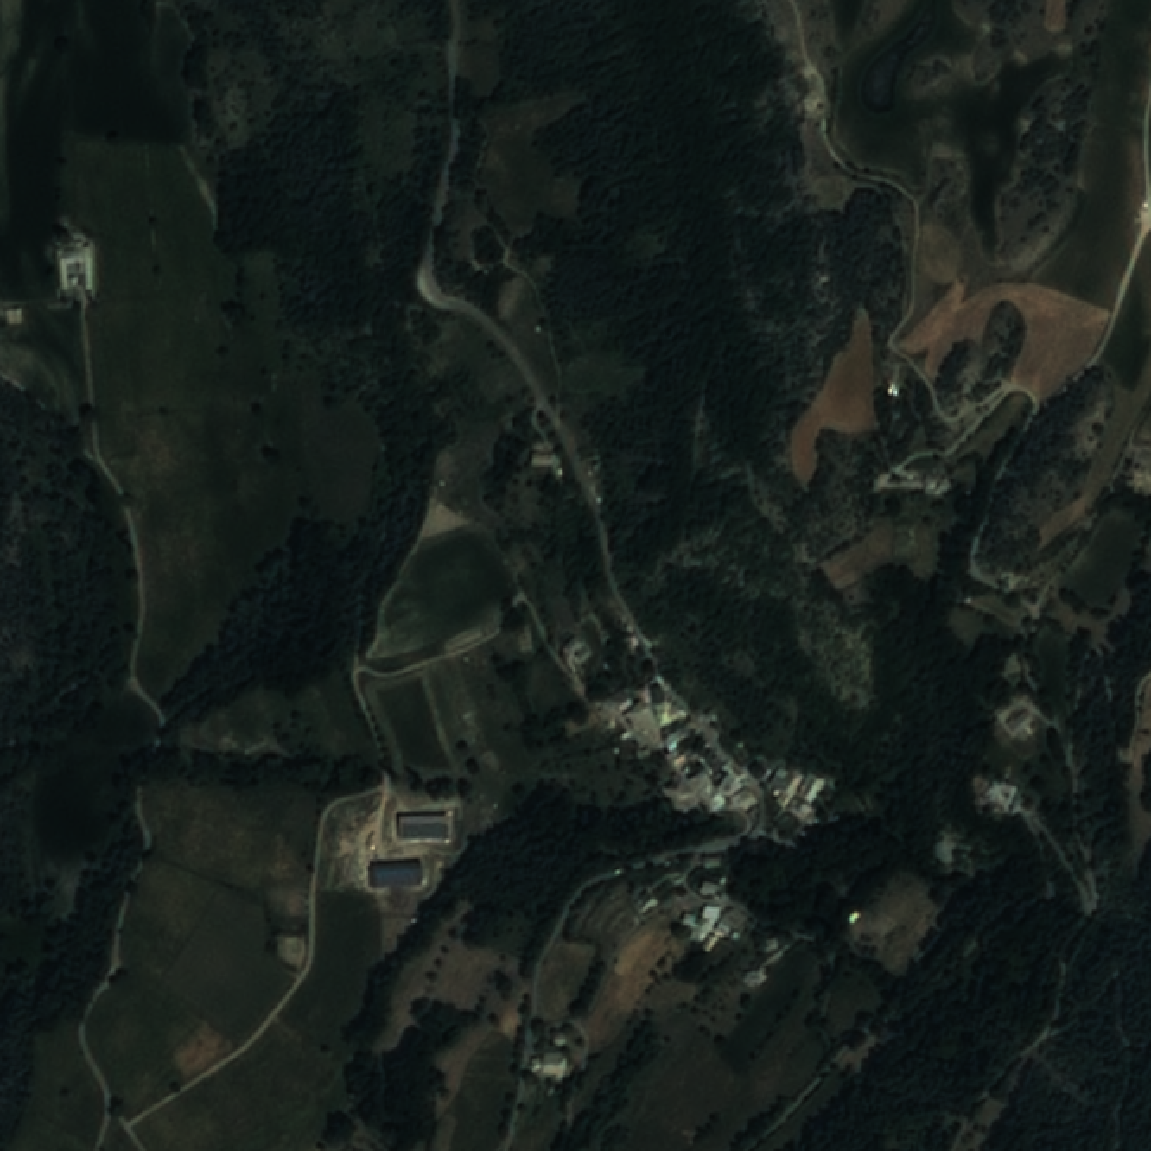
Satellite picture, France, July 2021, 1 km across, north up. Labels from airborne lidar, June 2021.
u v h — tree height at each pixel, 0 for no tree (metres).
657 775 6
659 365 10
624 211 12
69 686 11
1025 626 7
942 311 0
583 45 9
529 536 7
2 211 0
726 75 9
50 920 14
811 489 5
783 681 6
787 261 6
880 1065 18
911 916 0
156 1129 0
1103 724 10
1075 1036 13
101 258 0
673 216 9
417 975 0
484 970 0
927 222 0
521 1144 0
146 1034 0
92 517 16
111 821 11
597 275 8
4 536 12
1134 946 12
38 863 0
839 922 18
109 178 0
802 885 19
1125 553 0
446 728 0
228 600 0
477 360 0
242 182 12
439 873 0
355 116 7
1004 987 17
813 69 0
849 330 9
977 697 7
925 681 12
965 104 0
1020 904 21
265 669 17
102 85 0
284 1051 0
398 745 0
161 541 0
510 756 0
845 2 0
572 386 0
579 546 8
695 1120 0
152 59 0
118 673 17
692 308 9
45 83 0
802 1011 0
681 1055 0
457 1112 0
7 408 15
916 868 13
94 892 15
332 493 0
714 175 9
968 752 11
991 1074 16
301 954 0
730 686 6
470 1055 0
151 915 0
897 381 0
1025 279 0
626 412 7
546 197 0
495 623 0
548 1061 0
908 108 0
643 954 0
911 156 0
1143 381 0
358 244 9
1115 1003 11
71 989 19
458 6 0
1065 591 8
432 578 0
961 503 12
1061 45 0
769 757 7
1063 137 6
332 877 0
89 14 0
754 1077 0
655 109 11
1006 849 12
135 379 0
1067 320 0
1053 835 6
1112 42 0
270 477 0
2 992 6
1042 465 6
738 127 7
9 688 13
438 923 16
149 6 7
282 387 0
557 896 5
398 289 9
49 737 19
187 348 0
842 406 0
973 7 0
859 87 0
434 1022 17
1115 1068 14
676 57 10
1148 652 6
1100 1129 15
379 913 0
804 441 0
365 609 6
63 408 0
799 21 0
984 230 0
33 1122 0
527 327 0
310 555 23
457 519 0
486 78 0
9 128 0
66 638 15
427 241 8
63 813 0
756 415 9
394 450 15
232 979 0
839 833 21
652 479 13
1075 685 6
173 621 0
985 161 0
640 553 11
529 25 10
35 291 0
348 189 6
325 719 0
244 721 0
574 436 0
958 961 10
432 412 7
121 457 0
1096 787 8
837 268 7
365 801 0
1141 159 0
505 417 0
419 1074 19
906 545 0
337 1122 20
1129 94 0
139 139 0
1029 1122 20
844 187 0
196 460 0
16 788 9
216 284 0
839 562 0
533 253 6
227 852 0
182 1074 0
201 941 0
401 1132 16
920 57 0
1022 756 0
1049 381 0
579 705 7
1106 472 0
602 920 0
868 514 9
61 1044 0
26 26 0
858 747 9
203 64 8
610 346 6
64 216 0
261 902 0
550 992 0
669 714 0
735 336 9
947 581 9
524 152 0
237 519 0
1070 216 0
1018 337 7
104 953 11
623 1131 5
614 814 15
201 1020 0
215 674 15
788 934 8
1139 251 0
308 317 10
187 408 0
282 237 9
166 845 0
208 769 18
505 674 11
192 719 7
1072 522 0
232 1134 0
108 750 0
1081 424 0
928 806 11
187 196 0
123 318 0
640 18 10
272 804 0
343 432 0
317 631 20
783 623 6
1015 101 0
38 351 0
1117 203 0
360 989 0
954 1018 29
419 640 0
